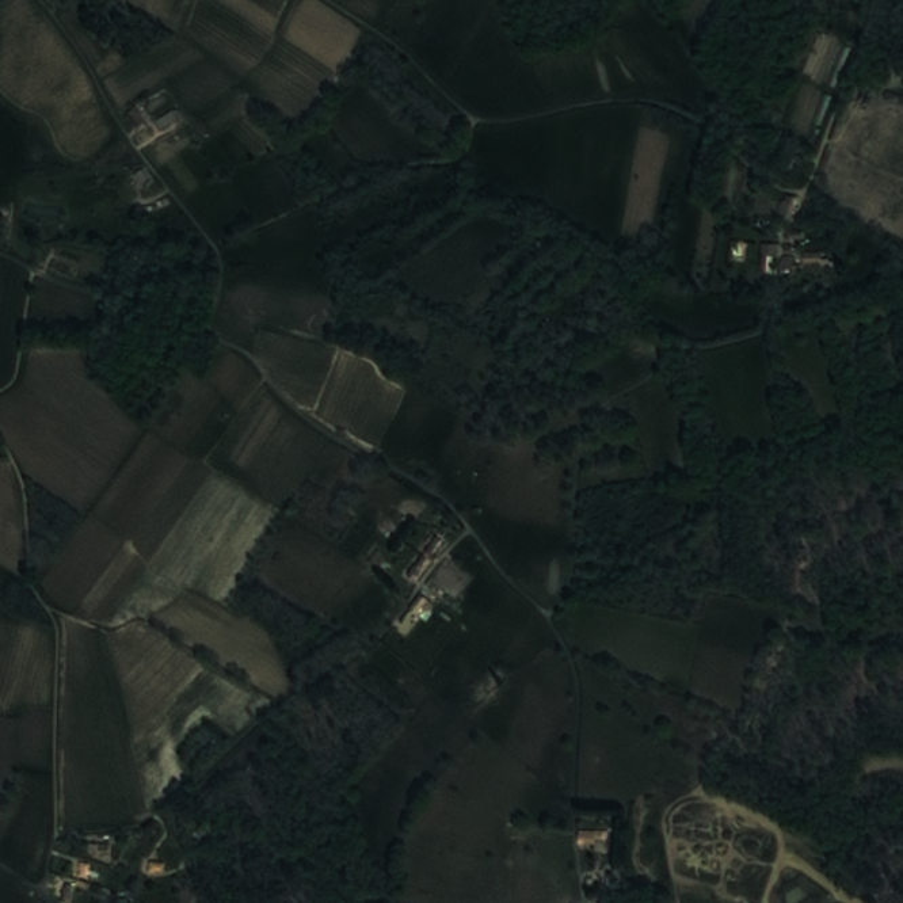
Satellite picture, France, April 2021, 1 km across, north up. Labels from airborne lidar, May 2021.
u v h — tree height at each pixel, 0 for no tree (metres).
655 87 0
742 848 0
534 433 19
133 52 20
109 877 0
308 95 0
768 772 23
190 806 24
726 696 0
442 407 0
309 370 0
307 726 8
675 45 0
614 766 0
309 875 20
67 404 0
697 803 0
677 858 0
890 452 26
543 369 20
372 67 17
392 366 8
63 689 0
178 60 0
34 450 0
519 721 0
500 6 21
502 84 0
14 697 0
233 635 0
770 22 20
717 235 14
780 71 16
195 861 16
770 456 24
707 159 20
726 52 25
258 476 0
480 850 0
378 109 0
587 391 19
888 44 23
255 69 0
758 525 17
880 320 8
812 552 12
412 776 0
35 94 0
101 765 0
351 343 15
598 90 0
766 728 16
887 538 17
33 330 17
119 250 8
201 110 0
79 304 0
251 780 14
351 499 17
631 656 0
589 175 0
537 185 0
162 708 0
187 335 23
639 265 25
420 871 0
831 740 17
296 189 15
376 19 0
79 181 0
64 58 0
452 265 0
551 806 0
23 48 0
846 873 12
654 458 0
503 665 8
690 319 0
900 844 15
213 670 11
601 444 17
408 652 0
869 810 17
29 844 0
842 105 17
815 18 19
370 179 12
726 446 12
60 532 11
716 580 15
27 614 12
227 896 19
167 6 0
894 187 0
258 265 0
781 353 16
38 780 0
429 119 19
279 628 19
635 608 9
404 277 0
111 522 0
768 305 18
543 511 0
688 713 0
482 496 0
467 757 0
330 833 26
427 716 0
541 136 0
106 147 0
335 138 7
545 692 0
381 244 9
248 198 0
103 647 0
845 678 13
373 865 17
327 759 13
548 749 0
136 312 29
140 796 0
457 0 0
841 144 0
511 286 13
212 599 0
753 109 24
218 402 0
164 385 17
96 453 0
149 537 0
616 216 0
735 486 23
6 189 0
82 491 0
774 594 18
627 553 18
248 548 0
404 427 0
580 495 8
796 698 19
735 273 8
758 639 0
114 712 0
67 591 0
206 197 0
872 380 19
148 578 0
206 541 0
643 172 0
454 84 0
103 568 0
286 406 0
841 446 26
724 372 0
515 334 15
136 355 25
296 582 0
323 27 0
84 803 0
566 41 23
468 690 0
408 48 0
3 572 0
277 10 0
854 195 0
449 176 9
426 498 0
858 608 15
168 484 0
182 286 21
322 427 0
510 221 16
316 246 0
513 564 0
